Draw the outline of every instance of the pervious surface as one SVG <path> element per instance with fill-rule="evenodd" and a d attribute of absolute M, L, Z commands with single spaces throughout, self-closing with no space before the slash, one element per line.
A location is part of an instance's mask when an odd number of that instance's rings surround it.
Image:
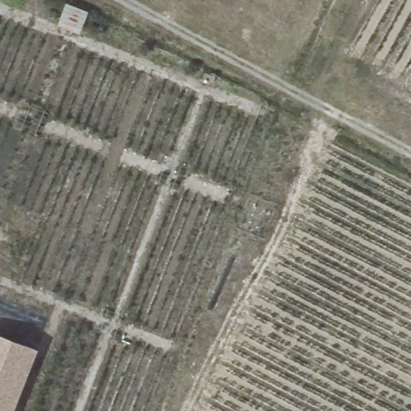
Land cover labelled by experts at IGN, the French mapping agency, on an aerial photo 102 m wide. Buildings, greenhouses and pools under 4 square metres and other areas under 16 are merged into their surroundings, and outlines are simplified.
<path fill-rule="evenodd" d="M 19 286 L 10 278 L 0 275 L 0 337 L 24 347 L 34 348 L 37 352 L 14 411 L 26 411 L 27 401 L 31 398 L 35 380 L 39 377 L 43 360 L 50 347 L 51 334 L 58 331 L 64 310 L 77 313 L 95 324 L 109 324 L 108 328 L 101 332 L 95 360 L 88 369 L 88 376 L 83 382 L 83 389 L 74 411 L 83 411 L 90 392 L 95 389 L 93 382 L 100 371 L 104 355 L 108 352 L 112 332 L 116 329 L 128 332 L 132 339 L 135 337 L 144 340 L 162 350 L 172 348 L 172 340 L 136 328 L 133 324 L 127 326 L 120 321 L 120 316 L 132 292 L 149 241 L 153 238 L 157 223 L 161 222 L 165 202 L 173 194 L 170 185 L 172 180 L 178 177 L 178 162 L 185 156 L 197 117 L 205 103 L 205 96 L 214 98 L 218 103 L 239 108 L 252 116 L 258 116 L 260 112 L 258 103 L 233 93 L 222 92 L 217 88 L 201 88 L 196 79 L 185 72 L 164 69 L 143 56 L 130 55 L 127 51 L 93 39 L 82 37 L 82 31 L 71 32 L 61 29 L 59 21 L 58 21 L 37 18 L 34 29 L 43 34 L 61 35 L 64 40 L 75 43 L 77 47 L 95 51 L 104 58 L 116 59 L 127 66 L 135 67 L 138 71 L 151 72 L 161 79 L 177 83 L 178 87 L 189 88 L 196 93 L 196 101 L 193 108 L 189 109 L 185 127 L 181 128 L 175 153 L 165 156 L 162 164 L 157 164 L 153 159 L 146 159 L 132 149 L 125 149 L 120 157 L 124 167 L 138 167 L 148 173 L 161 173 L 164 170 L 170 173 L 165 185 L 159 189 L 153 214 L 149 217 L 140 247 L 133 258 L 132 270 L 128 273 L 124 291 L 117 299 L 116 311 L 112 318 L 98 315 L 95 310 L 82 305 L 64 302 L 53 292 L 45 292 L 40 287 L 32 287 L 29 284 Z"/>
<path fill-rule="evenodd" d="M 92 151 L 101 148 L 103 140 L 98 136 L 85 136 L 79 128 L 51 120 L 45 125 L 45 133 L 67 138 L 74 141 L 77 146 Z"/>
<path fill-rule="evenodd" d="M 185 188 L 210 196 L 215 201 L 225 199 L 228 188 L 199 180 L 194 173 L 183 181 Z"/>
<path fill-rule="evenodd" d="M 369 136 L 377 143 L 393 149 L 400 156 L 411 159 L 411 144 L 393 138 L 371 122 L 339 111 L 331 103 L 326 103 L 294 83 L 281 79 L 281 75 L 265 71 L 263 67 L 234 55 L 233 51 L 220 47 L 214 40 L 189 31 L 188 27 L 181 26 L 175 19 L 170 18 L 169 13 L 151 10 L 149 6 L 136 0 L 114 0 L 141 18 L 161 24 L 172 34 L 188 40 L 189 43 L 223 59 L 226 63 L 233 64 L 249 75 L 276 88 L 279 92 L 287 93 L 292 100 L 324 112 L 340 124 L 348 125 L 355 132 Z"/>
<path fill-rule="evenodd" d="M 27 0 L 0 0 L 0 16 L 26 26 L 31 13 L 21 10 Z"/>

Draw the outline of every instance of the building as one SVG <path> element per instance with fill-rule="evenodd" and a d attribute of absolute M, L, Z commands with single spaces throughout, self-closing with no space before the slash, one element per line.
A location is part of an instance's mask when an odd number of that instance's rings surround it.
<path fill-rule="evenodd" d="M 14 411 L 37 352 L 34 348 L 24 347 L 0 337 L 0 411 Z"/>
<path fill-rule="evenodd" d="M 71 32 L 82 31 L 87 13 L 72 5 L 64 6 L 59 21 L 61 29 Z"/>

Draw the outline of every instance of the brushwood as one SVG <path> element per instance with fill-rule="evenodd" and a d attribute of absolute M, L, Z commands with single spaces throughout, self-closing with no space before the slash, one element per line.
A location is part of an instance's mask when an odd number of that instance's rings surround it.
<path fill-rule="evenodd" d="M 96 34 L 108 32 L 117 18 L 106 14 L 103 19 L 98 18 L 95 13 L 87 13 L 82 31 L 82 37 L 93 39 Z"/>
<path fill-rule="evenodd" d="M 64 6 L 72 5 L 74 0 L 43 0 L 45 10 L 50 11 L 53 16 L 51 19 L 58 21 L 59 21 Z"/>

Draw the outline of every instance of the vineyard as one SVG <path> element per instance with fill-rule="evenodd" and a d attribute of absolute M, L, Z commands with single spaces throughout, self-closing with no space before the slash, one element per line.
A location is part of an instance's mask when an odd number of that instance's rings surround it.
<path fill-rule="evenodd" d="M 120 316 L 120 321 L 127 326 L 133 324 L 136 328 L 172 340 L 172 348 L 162 350 L 144 340 L 135 337 L 132 339 L 128 332 L 116 329 L 112 332 L 108 352 L 104 355 L 100 371 L 93 382 L 95 389 L 90 392 L 83 411 L 411 411 L 411 159 L 400 156 L 393 149 L 377 143 L 369 136 L 355 132 L 348 125 L 340 124 L 324 112 L 292 100 L 287 93 L 279 92 L 276 88 L 249 75 L 244 88 L 257 96 L 260 101 L 258 103 L 260 112 L 258 116 L 252 116 L 239 108 L 218 103 L 214 98 L 205 96 L 205 103 L 197 117 L 185 156 L 178 162 L 178 177 L 172 180 L 170 185 L 173 194 L 165 202 L 161 222 L 157 223 L 153 238 L 149 241 L 132 292 Z M 199 180 L 228 188 L 225 199 L 215 201 L 210 196 L 185 188 L 183 181 L 194 173 Z"/>
<path fill-rule="evenodd" d="M 353 42 L 350 47 L 340 50 L 344 55 L 371 64 L 371 72 L 376 72 L 385 79 L 397 79 L 398 75 L 405 77 L 405 87 L 411 90 L 411 0 L 382 0 L 369 19 L 360 42 Z"/>
<path fill-rule="evenodd" d="M 125 149 L 132 149 L 146 159 L 153 159 L 157 164 L 162 164 L 165 156 L 175 153 L 181 128 L 185 127 L 189 109 L 193 108 L 196 101 L 196 93 L 189 88 L 178 87 L 177 83 L 161 79 L 151 72 L 138 71 L 135 67 L 127 66 L 116 59 L 104 58 L 95 51 L 77 47 L 75 43 L 64 40 L 61 35 L 43 34 L 34 29 L 27 29 L 26 26 L 0 16 L 0 275 L 10 278 L 19 286 L 29 284 L 32 287 L 40 287 L 45 292 L 53 292 L 64 302 L 82 305 L 95 310 L 98 315 L 112 318 L 116 311 L 117 299 L 124 291 L 128 273 L 132 270 L 133 258 L 140 247 L 149 217 L 153 214 L 159 189 L 165 185 L 170 173 L 164 170 L 161 173 L 148 173 L 138 167 L 124 167 L 120 157 Z M 92 151 L 77 146 L 74 141 L 67 138 L 45 133 L 45 125 L 51 120 L 79 128 L 85 136 L 98 136 L 103 140 L 101 148 Z"/>
<path fill-rule="evenodd" d="M 83 382 L 88 376 L 88 369 L 95 360 L 101 332 L 108 328 L 109 324 L 95 324 L 77 313 L 64 310 L 58 331 L 51 334 L 50 347 L 43 360 L 39 377 L 35 380 L 31 398 L 27 401 L 26 411 L 74 411 L 83 389 Z"/>

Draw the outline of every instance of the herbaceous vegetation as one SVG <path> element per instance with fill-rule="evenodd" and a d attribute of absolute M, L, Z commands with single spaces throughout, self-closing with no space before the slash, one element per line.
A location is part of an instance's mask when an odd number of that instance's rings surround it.
<path fill-rule="evenodd" d="M 376 72 L 371 72 L 371 64 L 344 55 L 340 50 L 350 47 L 353 42 L 360 42 L 369 19 L 382 0 L 136 0 L 149 6 L 151 10 L 169 13 L 170 18 L 175 19 L 181 26 L 188 27 L 189 31 L 214 40 L 220 47 L 233 51 L 234 55 L 263 67 L 265 71 L 281 75 L 281 79 L 294 83 L 326 103 L 331 103 L 339 111 L 371 122 L 393 138 L 411 144 L 411 90 L 405 87 L 405 77 L 398 75 L 397 79 L 385 79 Z"/>
<path fill-rule="evenodd" d="M 217 88 L 222 92 L 233 93 L 258 103 L 260 101 L 257 96 L 244 88 L 249 75 L 233 64 L 226 63 L 223 59 L 189 43 L 188 40 L 172 34 L 161 24 L 141 18 L 114 0 L 74 0 L 72 5 L 87 13 L 95 13 L 98 18 L 103 19 L 106 14 L 117 18 L 108 32 L 96 34 L 93 39 L 127 51 L 130 55 L 143 56 L 164 69 L 185 72 L 196 79 L 201 88 Z"/>
<path fill-rule="evenodd" d="M 58 21 L 51 19 L 53 16 L 50 11 L 45 10 L 43 0 L 27 0 L 21 10 L 31 13 L 26 26 L 27 29 L 34 29 L 37 18 Z"/>

